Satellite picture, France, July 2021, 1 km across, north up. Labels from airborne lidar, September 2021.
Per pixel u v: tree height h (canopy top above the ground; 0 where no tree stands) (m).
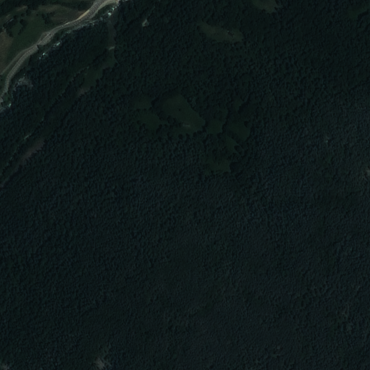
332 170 24
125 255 30
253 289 21
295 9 23
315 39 23
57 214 19
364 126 17
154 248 25
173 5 14
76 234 20
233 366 12
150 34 6
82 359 19
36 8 29
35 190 14
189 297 16
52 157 19
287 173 26
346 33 19
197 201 24
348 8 21
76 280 21
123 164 20
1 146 12
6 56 0
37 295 18
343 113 23
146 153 11
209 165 18
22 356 15
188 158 20
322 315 20
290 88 24
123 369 15
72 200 17
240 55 9
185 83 19
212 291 19
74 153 21
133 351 24
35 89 8
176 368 21
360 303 6
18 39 0
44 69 19
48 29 0
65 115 6
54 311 19
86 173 7
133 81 8
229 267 15
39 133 20
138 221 27
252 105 24
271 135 20
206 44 14
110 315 14
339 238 13
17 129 18
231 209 30
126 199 21
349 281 10
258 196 26
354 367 9
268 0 0
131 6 26
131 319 22
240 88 24
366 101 19
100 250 18
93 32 27
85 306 19
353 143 22
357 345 17
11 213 16
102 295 15
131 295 21
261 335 21
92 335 19
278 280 23
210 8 23
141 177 24
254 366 16
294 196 17
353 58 22
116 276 28
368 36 20
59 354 20
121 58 16
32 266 21
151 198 23
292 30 23
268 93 13
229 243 25
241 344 18
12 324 19
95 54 6
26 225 20
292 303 16
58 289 19
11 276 21
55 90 23
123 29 7
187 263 24
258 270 27
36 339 19
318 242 19
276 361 28
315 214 19
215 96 18
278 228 23
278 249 22
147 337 24
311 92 17
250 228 25
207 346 21
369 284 14
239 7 19
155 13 8
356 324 16
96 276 19
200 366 24
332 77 18
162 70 16
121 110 19
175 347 21
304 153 27
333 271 17
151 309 24
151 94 17
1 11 18
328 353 15
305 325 19
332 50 10
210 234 22
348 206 20
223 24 18
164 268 24
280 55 8
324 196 18
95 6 0
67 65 14
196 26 14
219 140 26
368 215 18
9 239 23
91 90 11
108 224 25
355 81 19
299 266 19
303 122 19
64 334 13
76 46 20
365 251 20
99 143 24
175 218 26
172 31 18
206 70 12
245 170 28
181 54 18
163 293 22
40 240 21
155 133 10
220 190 25
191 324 26
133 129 19
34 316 15
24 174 12
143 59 25
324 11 27
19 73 10
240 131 0
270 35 27
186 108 0
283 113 12
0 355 18
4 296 19
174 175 24
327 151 20
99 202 26
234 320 22
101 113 7
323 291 18
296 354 19
